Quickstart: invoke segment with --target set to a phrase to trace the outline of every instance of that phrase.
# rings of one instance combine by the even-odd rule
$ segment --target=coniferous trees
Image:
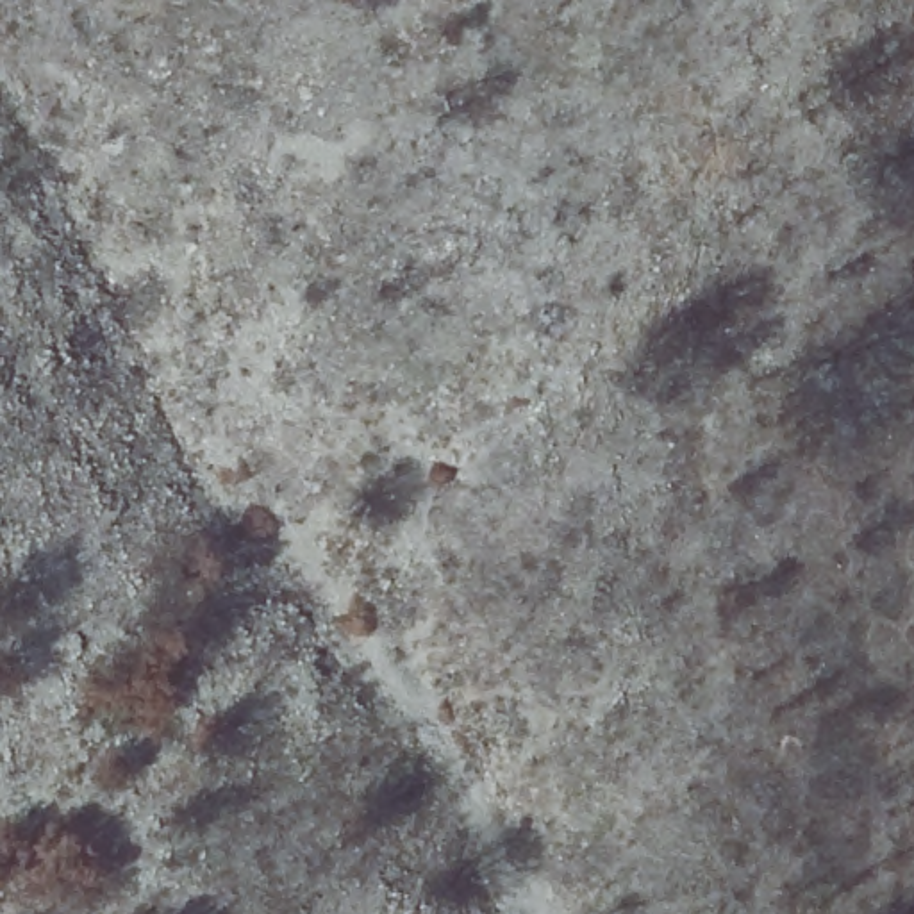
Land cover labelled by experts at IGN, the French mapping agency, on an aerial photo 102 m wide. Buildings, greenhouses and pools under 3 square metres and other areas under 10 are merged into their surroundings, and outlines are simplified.
[[[871,161],[868,200],[871,211],[889,211],[889,229],[914,232],[914,136],[910,129],[903,129],[896,154],[882,154]]]

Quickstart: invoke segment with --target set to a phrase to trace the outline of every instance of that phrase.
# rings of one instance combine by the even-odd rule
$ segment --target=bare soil
[[[0,914],[914,914],[914,232],[889,229],[889,211],[871,211],[868,200],[871,161],[882,154],[896,154],[903,129],[910,129],[914,136],[914,0],[0,0]]]

